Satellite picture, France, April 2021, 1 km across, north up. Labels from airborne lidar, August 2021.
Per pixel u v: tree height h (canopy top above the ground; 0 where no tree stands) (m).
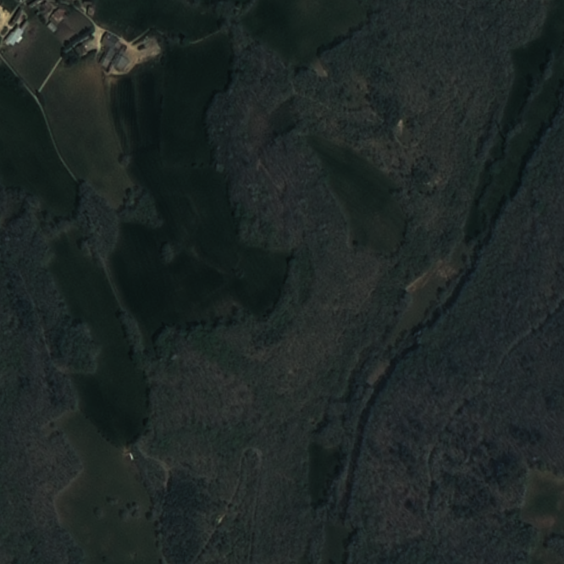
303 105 15
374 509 19
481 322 14
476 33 19
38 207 19
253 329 15
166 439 19
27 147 0
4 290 17
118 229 15
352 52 21
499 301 13
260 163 11
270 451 17
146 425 16
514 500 21
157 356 13
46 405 12
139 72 0
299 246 10
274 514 18
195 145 0
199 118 0
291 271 17
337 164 0
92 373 17
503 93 15
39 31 0
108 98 0
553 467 14
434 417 16
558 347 11
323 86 18
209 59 0
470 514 21
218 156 18
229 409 19
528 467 14
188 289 0
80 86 0
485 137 11
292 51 0
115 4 0
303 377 14
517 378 17
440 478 17
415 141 6
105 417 0
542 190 14
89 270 0
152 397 20
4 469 20
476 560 17
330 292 13
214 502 10
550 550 14
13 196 16
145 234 0
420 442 22
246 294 0
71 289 0
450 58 17
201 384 22
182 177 0
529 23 20
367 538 23
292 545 18
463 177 14
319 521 22
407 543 15
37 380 11
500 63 19
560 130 14
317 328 12
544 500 0
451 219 15
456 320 21
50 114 0
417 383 13
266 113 23
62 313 13
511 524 17
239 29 22
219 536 11
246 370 16
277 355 6
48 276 14
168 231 0
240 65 23
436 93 12
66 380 17
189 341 24
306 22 0
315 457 0
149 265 0
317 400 18
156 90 0
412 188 14
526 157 0
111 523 0
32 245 21
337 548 0
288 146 22
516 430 16
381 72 19
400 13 25
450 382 21
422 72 16
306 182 17
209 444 19
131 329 20
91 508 0
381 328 19
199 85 0
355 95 0
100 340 0
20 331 11
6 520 19
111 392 0
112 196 0
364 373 8
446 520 13
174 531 19
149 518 13
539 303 9
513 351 7
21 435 15
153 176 0
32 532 15
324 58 21
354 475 27
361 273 14
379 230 0
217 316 0
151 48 0
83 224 19
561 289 11
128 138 0
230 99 19
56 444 12
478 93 15
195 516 15
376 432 18
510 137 22
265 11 0
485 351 13
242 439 18
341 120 13
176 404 24
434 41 15
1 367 23
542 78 9
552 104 0
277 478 18
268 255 0
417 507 11
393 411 18
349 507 24
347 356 21
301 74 19
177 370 25
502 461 13
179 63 0
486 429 9
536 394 19
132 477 0
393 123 17
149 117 0
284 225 17
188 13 0
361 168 0
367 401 25
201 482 11
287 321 14
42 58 0
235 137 26
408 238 15
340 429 27
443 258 20
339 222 14
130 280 0
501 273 15
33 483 13
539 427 15
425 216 12
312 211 18
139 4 0
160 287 0
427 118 9
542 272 12
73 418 0
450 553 17
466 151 18
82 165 0
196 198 0
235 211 11
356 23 0
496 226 21
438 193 11
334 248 16
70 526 0
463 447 10
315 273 17
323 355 16
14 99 0
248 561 13
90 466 0
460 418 17
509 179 0
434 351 18
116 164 0
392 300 22
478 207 18
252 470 11
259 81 26
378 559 14
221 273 0
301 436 19
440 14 27
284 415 18
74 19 0
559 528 0
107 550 0
